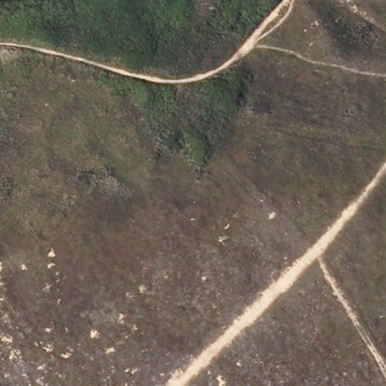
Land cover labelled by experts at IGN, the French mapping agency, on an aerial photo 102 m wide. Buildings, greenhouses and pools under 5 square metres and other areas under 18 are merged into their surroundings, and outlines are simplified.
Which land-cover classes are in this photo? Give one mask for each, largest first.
<instances>
[{"label":"herbaceous vegetation","instance_id":"1","mask_svg":"<svg viewBox=\"0 0 386 386\"><path fill-rule=\"evenodd\" d=\"M282 0H0V41H26L38 47L65 51L75 56L109 63L116 68L155 77H191L217 68L228 60ZM262 44L291 48L315 60L345 63L365 71L386 72V0H296L288 20L271 35L259 39ZM386 160V77L353 74L332 66L312 65L293 54L252 48L246 56L213 77L193 83L164 84L127 77L98 66L29 48L0 45V386H167L173 371H185L191 360L196 359L204 348L217 341L234 320L244 314L247 306L261 297L264 289L276 282L286 268L302 258L320 240L321 235L326 234L327 229L362 193L365 185L374 178ZM327 270L335 277L338 288L350 303L351 309L356 312L359 323L365 327L372 344L386 362V173L369 193L366 201L357 208L356 214L345 223L344 228L323 252ZM185 386H386V378L381 374L378 363L369 353L365 342L357 335L347 312L336 299L332 288L324 279L320 265L314 259L285 293L279 294L250 326L241 330L240 335L235 336L231 344L222 348V351L213 357L210 365L204 366Z\"/></svg>","mask_w":386,"mask_h":386},{"label":"pervious surface","instance_id":"2","mask_svg":"<svg viewBox=\"0 0 386 386\"><path fill-rule=\"evenodd\" d=\"M296 0H282L228 60L217 68L191 77H155L116 68L109 63L75 56L65 51L38 47L26 41H0V45L29 48L98 66L127 77L164 84L193 83L213 77L246 56L252 48L293 54L312 65L332 66L353 74L386 77V72L365 71L345 63L315 60L291 48L262 44L259 39L271 35L288 20ZM386 173V160L374 178L365 185L362 193L327 229L326 234L321 235L320 240L302 258L286 268L276 282L264 289L261 297L247 306L244 314L234 320L217 341L204 348L196 359L191 360L185 371H173L167 386H185L204 366L210 365L213 357L222 351V348L231 344L235 336L240 335L241 330L250 326L279 294L285 293L314 259L320 265L324 279L332 288L336 299L347 312L357 335L365 342L369 353L378 363L381 374L386 378V362L372 344L365 327L359 323L356 312L351 309L350 303L338 288L335 277L327 270L323 252L344 228L345 223L356 214L357 208L366 201L369 193Z\"/></svg>","mask_w":386,"mask_h":386}]
</instances>
